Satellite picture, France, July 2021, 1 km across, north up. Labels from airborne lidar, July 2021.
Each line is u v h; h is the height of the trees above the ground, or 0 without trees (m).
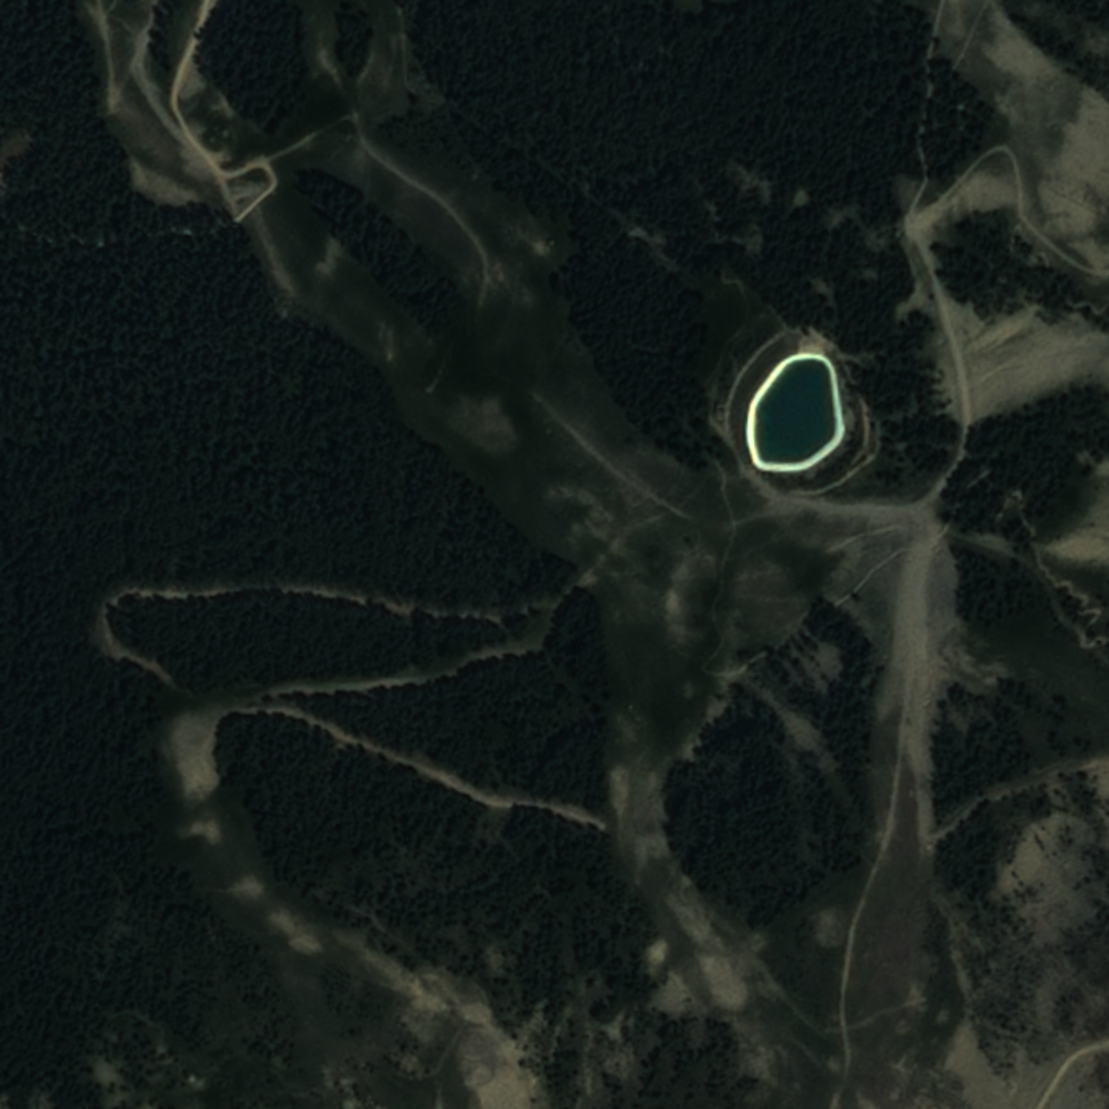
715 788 7
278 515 21
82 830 15
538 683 19
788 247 13
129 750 10
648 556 0
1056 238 0
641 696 0
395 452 28
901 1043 0
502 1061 0
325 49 0
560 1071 9
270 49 22
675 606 0
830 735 13
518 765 15
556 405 0
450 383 0
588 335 16
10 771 19
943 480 0
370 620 20
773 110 13
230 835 0
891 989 0
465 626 18
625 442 0
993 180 0
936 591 0
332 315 0
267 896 0
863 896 0
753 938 0
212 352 18
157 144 0
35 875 16
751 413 0
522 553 24
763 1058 0
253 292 23
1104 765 0
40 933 10
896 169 10
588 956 12
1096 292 0
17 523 21
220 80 13
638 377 12
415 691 17
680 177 20
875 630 0
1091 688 0
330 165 0
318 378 22
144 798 13
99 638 0
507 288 0
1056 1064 0
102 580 16
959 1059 0
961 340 0
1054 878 0
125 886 8
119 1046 7
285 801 11
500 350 0
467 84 23
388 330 0
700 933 0
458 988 0
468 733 16
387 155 0
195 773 0
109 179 11
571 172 14
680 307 13
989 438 17
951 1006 0
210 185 0
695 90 22
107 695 11
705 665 0
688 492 0
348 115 0
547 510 0
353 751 14
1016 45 0
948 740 9
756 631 0
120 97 0
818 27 17
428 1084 0
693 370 9
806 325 12
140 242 16
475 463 0
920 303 0
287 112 19
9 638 20
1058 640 0
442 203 0
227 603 19
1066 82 0
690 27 23
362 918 8
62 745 16
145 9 0
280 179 0
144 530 18
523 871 14
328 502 19
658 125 21
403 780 14
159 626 15
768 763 9
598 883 14
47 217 14
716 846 13
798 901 10
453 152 8
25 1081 10
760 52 20
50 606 16
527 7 23
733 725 6
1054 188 0
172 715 0
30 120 21
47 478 22
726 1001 0
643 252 15
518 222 0
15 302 23
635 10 15
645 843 0
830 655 0
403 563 22
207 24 0
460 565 19
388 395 21
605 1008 12
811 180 18
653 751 0
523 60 25
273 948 0
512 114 21
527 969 12
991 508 12
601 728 14
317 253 0
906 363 13
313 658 17
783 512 0
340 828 13
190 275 22
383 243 19
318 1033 0
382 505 22
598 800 15
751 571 0
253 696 0
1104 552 0
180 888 13
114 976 10
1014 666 0
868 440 0
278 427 24
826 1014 0
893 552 0
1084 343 0
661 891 0
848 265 9
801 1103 0
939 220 0
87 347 15
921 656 0
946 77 11
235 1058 0
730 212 17
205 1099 0
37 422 20
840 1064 0
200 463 14
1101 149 0
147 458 25
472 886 8
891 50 13
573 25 21
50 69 21
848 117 12
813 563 0
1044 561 0
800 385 0
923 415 11
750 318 0
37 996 8
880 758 0
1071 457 7
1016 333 0
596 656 17
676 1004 0
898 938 0
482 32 19
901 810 0
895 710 0
